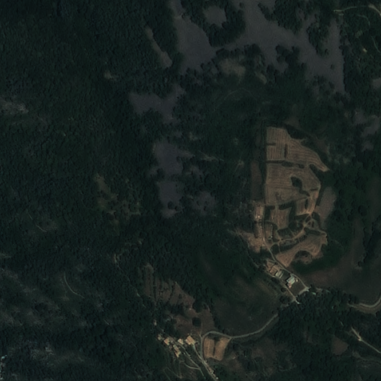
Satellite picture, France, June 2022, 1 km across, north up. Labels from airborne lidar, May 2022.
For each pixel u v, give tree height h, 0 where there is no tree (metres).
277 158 0
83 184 6
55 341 12
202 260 0
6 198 10
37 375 16
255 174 0
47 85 18
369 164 13
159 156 0
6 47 17
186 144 8
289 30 9
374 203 0
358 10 6
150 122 9
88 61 9
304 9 11
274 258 0
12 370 11
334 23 0
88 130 8
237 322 0
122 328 12
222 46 14
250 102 6
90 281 13
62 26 18
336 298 16
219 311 0
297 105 0
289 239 0
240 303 0
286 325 11
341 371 11
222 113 7
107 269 12
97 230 12
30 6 14
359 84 11
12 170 11
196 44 0
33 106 9
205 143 7
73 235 16
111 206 7
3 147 16
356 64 11
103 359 15
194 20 15
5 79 12
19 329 11
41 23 19
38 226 8
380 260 0
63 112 16
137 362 6
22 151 13
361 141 8
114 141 9
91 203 16
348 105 11
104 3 19
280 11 10
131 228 11
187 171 8
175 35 13
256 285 0
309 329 10
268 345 0
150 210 8
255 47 12
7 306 8
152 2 14
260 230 0
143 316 9
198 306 14
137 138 13
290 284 0
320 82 10
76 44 9
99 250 11
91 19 12
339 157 0
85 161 11
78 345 13
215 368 7
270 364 0
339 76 0
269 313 0
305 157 0
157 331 11
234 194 5
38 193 11
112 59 8
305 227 0
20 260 16
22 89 15
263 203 0
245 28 14
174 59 13
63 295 0
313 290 12
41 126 10
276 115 8
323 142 0
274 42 0
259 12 0
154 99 0
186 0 14
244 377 0
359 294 0
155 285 6
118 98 21
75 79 13
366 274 0
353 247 0
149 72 15
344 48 11
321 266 0
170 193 0
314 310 7
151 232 8
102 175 14
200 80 10
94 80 21
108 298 11
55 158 18
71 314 6
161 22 16
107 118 17
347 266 0
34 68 23
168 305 6
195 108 7
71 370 12
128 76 12
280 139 0
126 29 14
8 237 7
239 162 0
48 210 7
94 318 16
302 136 10
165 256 11
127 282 8
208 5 12
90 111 14
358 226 0
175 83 13
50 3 13
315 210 0
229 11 15
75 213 15
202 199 0
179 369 0
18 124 8
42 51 21
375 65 9
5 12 17
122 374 7
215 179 6
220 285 0
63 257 11
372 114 9
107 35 14
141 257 11
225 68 0
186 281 13
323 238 0
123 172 15
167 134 12
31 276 8
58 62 10
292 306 10
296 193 0
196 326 13
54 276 12
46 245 12
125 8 15
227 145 8
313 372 7
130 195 10
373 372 0
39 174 10
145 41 16
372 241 17
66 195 13
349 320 12
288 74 7
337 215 16
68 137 8
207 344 0
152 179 8
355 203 16
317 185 0
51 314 9
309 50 0
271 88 6
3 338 16
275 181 0
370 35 9
